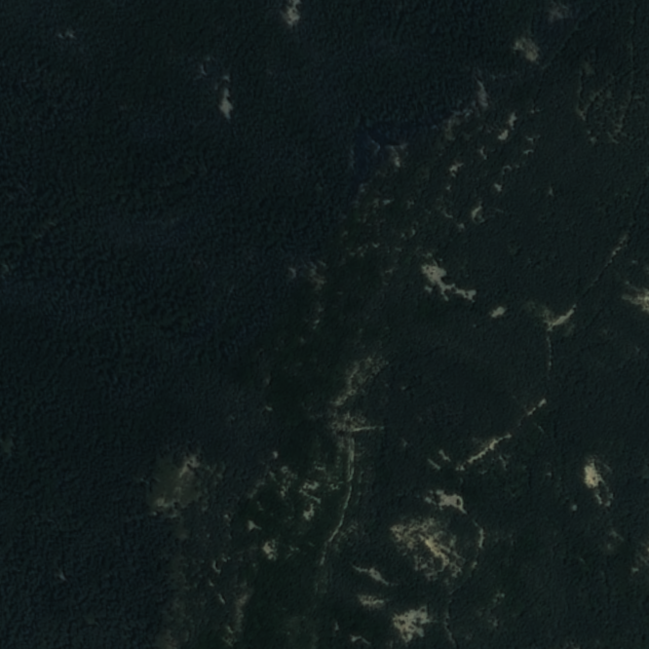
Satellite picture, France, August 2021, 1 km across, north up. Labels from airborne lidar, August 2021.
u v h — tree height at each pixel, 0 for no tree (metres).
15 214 23
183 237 7
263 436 12
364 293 12
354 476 11
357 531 9
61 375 14
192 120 7
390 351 11
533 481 18
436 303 19
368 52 6
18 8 9
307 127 8
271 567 12
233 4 11
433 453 9
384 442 16
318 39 13
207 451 10
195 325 14
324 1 17
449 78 16
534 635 15
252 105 10
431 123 11
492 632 12
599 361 7
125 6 10
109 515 17
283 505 11
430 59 12
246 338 12
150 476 10
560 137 13
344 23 13
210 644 15
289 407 13
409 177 12
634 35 16
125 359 17
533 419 17
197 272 15
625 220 15
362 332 6
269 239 19
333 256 8
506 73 7
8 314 12
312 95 8
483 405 19
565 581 11
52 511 15
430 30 22
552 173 15
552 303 13
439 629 17
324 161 10
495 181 13
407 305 13
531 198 13
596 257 17
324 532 7
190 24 11
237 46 15
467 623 13
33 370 15
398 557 16
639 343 11
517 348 13
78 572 14
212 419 13
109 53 14
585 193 15
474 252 13
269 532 12
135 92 15
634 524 7
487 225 14
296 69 7
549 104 13
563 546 8
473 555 11
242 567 9
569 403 17
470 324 14
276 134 13
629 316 13
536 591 10
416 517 7
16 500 16
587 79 16
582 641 13
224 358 9
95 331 17
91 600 16
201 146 12
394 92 17
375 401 18
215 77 9
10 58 18
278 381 14
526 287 14
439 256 14
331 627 7
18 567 9
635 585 8
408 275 12
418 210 11
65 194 23
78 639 15
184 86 7
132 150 12
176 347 11
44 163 19
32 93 24
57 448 14
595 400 12
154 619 16
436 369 23
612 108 13
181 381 13
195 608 10
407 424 25
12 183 19
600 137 13
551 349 8
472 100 11
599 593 15
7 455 8
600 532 12
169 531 9
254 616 14
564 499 16
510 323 17
